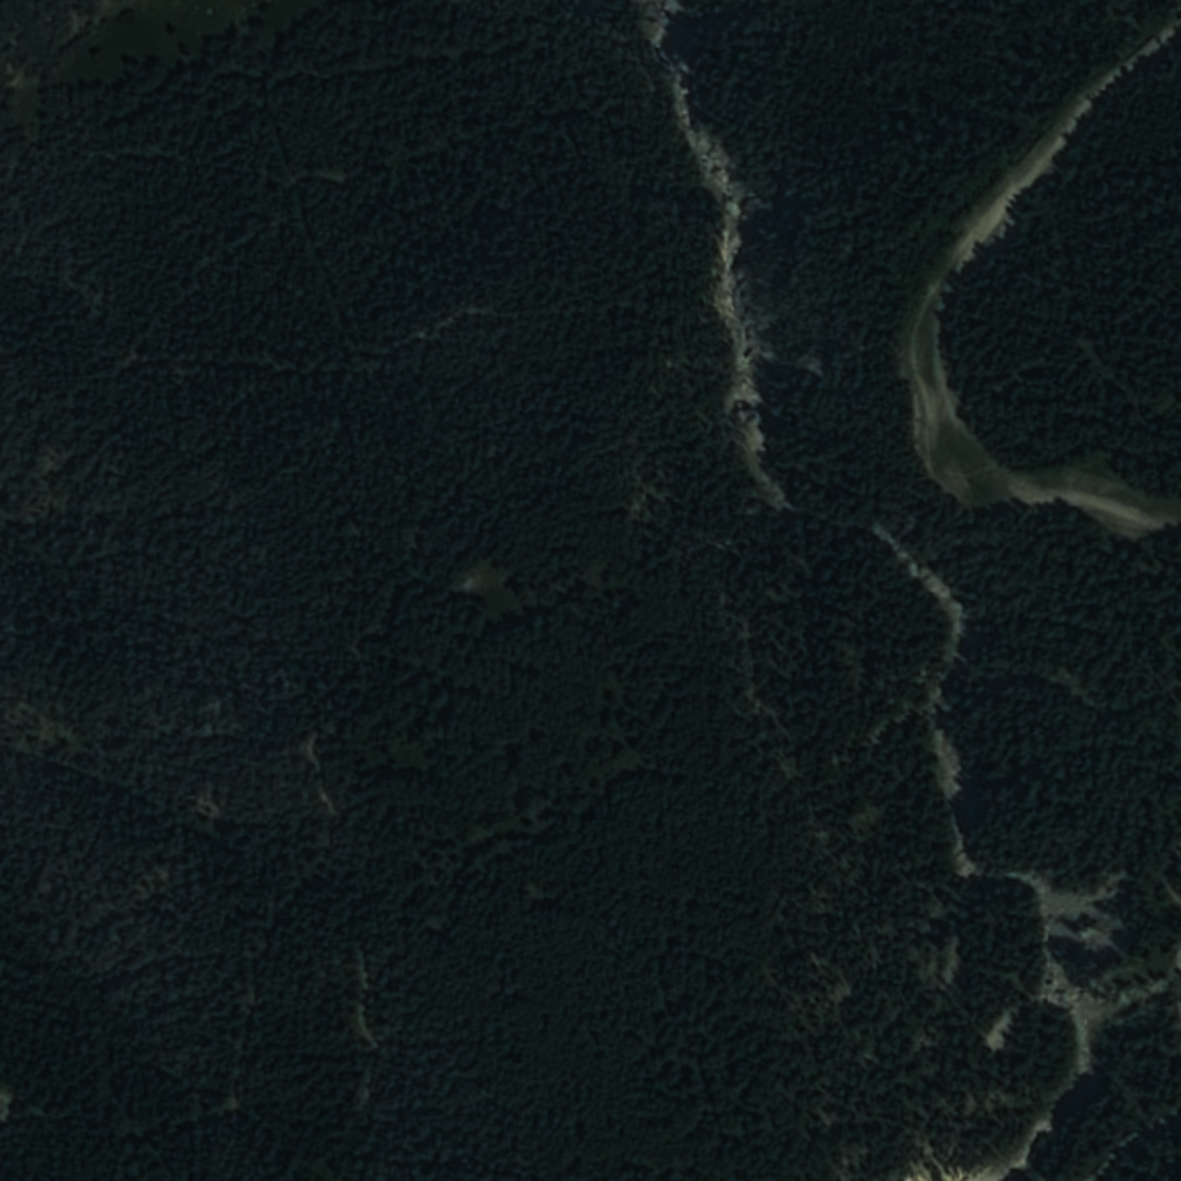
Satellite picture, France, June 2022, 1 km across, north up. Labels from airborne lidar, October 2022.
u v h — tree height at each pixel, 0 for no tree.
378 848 22
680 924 24
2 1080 23
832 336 12
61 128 14
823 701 34
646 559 22
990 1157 23
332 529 28
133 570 17
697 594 15
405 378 17
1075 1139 20
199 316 25
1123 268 11
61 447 18
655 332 23
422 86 22
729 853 22
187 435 22
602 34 18
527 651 31
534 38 24
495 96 25
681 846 23
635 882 26
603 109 24
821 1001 17
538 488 12
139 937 16
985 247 0
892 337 19
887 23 8
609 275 21
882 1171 26
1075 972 7
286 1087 23
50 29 12
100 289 15
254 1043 14
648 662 19
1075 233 9
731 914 24
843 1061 15
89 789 17
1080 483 0
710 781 29
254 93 23
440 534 15
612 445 17
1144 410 8
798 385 7
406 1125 19
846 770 14
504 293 17
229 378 13
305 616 16
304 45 16
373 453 25
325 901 17
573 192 29
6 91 10
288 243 24
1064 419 12
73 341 16
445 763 31
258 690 20
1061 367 15
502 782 32
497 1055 27
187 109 20
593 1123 22
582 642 32
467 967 20
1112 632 25
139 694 18
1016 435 23
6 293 20
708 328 23
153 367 19
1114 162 10
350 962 19
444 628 24
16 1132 10
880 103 8
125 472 14
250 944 18
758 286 5
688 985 23
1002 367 10
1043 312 25
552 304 14
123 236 16
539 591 26
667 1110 23
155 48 0
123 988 24
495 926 23
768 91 16
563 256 23
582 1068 25
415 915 19
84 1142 22
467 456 18
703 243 19
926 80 10
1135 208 21
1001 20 35
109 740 8
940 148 32
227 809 15
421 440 23
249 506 13
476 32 27
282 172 25
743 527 22
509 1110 10
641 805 25
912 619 31
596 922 27
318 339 17
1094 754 16
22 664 17
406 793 28
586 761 30
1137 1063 20
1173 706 23
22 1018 20
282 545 15
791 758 16
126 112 24
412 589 17
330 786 14
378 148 15
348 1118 25
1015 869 14
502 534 17
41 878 15
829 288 23
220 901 20
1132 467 27
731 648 16
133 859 15
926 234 12
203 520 21
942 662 27
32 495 18
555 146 21
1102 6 20
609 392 17
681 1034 24
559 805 20
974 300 9
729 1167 25
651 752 23
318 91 25
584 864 21
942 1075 7
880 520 18
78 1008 14
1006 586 14
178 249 12
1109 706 13
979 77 11
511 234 22
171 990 16
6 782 9
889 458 22
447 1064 16
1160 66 15
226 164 24
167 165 16
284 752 15
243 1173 23
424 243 22
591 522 25
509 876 22
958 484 0
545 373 20
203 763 10
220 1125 25
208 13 0
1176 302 10
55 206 13
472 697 35
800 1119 28
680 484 19
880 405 18
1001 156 11
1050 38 7
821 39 19
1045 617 19
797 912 24
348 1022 9
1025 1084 29
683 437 30
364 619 19
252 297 13
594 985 31
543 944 27
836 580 7
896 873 11
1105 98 13
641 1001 29
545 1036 25
